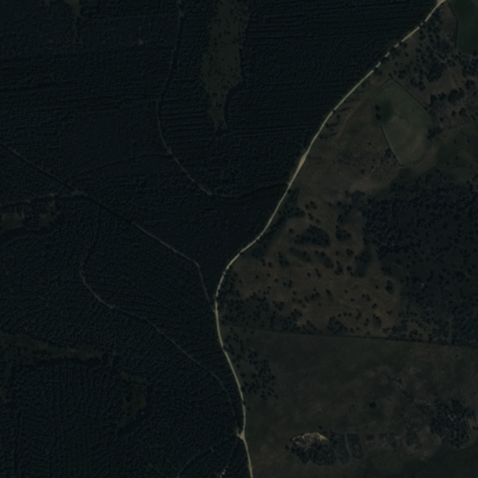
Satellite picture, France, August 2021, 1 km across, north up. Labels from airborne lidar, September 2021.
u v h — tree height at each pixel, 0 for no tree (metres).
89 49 9
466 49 0
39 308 16
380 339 0
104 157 10
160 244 16
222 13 0
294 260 0
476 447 0
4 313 15
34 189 18
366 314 0
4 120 13
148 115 10
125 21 7
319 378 0
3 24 10
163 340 20
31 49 8
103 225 24
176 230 10
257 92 17
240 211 10
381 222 11
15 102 18
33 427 20
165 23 9
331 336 0
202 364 16
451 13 0
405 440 0
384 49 12
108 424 13
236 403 20
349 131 0
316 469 0
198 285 15
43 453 15
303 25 18
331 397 0
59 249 25
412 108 0
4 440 18
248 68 12
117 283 14
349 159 0
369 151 0
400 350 0
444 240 0
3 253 20
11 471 24
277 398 8
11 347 8
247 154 15
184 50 16
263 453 0
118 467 24
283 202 0
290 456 0
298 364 0
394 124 0
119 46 10
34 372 20
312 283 0
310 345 0
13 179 15
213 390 22
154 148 9
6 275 15
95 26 9
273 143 12
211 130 16
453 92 11
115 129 10
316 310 0
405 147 0
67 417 15
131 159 10
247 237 9
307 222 0
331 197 0
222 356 14
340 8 19
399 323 0
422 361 0
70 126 11
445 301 0
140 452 19
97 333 18
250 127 15
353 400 0
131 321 21
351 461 0
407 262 0
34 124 12
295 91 15
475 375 0
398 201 10
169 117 15
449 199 0
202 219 11
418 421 0
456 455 0
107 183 17
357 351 0
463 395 0
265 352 0
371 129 0
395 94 0
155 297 16
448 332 0
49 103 19
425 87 8
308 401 0
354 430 0
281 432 0
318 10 18
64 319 18
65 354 0
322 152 0
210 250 9
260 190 11
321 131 0
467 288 0
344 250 0
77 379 23
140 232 17
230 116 18
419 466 0
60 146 11
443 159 0
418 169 0
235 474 11
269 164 14
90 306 18
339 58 17
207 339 16
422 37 8
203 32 20
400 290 0
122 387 25
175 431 21
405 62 0
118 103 15
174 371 19
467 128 0
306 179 0
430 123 0
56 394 19
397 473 0
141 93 12
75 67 15
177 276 17
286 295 0
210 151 13
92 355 0
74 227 25
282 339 0
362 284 0
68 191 18
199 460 14
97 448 19
